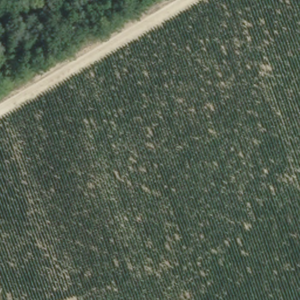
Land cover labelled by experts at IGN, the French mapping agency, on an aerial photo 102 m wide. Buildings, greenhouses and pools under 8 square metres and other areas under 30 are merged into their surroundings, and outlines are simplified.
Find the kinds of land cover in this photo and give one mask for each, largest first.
<instances>
[{"label":"vineyard","instance_id":"1","mask_svg":"<svg viewBox=\"0 0 300 300\"><path fill-rule=\"evenodd\" d=\"M0 300H300V0H200L164 21L161 26L149 30L100 61L83 68L80 73L71 75L34 100L23 103L20 108L0 117Z\"/></svg>","mask_w":300,"mask_h":300},{"label":"coniferous trees","instance_id":"2","mask_svg":"<svg viewBox=\"0 0 300 300\"><path fill-rule=\"evenodd\" d=\"M25 8V12H20L19 19L13 20L12 13L8 12L0 16V71L2 76L15 81L16 76L22 74L25 47L30 48V54L35 56L37 48H41L43 56L48 59L54 54V49L49 46L55 41V34L62 32L63 23L73 26L71 33L75 34H79L81 28L101 27V18L111 21L116 13L125 15V0H18Z\"/></svg>","mask_w":300,"mask_h":300},{"label":"pervious surface","instance_id":"3","mask_svg":"<svg viewBox=\"0 0 300 300\"><path fill-rule=\"evenodd\" d=\"M200 0H162L149 7L138 21L125 23L120 33L111 34L107 41L96 42L82 48L76 53V59L55 64L49 70L36 75L33 82H27L20 89L13 90L0 102V117L20 108L23 103L34 100L71 75L80 73L83 68L100 61L149 30L161 26L164 21Z\"/></svg>","mask_w":300,"mask_h":300},{"label":"deciduous trees","instance_id":"4","mask_svg":"<svg viewBox=\"0 0 300 300\"><path fill-rule=\"evenodd\" d=\"M8 12L12 13L13 20L19 19L20 12H25V8L18 0H0V16ZM162 0H125V15L116 13L111 21L101 18V27L81 28L79 34H75L71 33L73 26L63 23L62 32L55 34V41L49 46L54 49V54L48 59L43 56L41 48H37L35 56L30 54V48L25 47L22 74L16 76L15 81L2 76L0 71V102L13 90L20 89L27 82H33L36 75L49 70L55 64L76 59V53L82 48L96 42L107 41L111 34L120 33L125 23L138 21L149 7Z\"/></svg>","mask_w":300,"mask_h":300}]
</instances>
